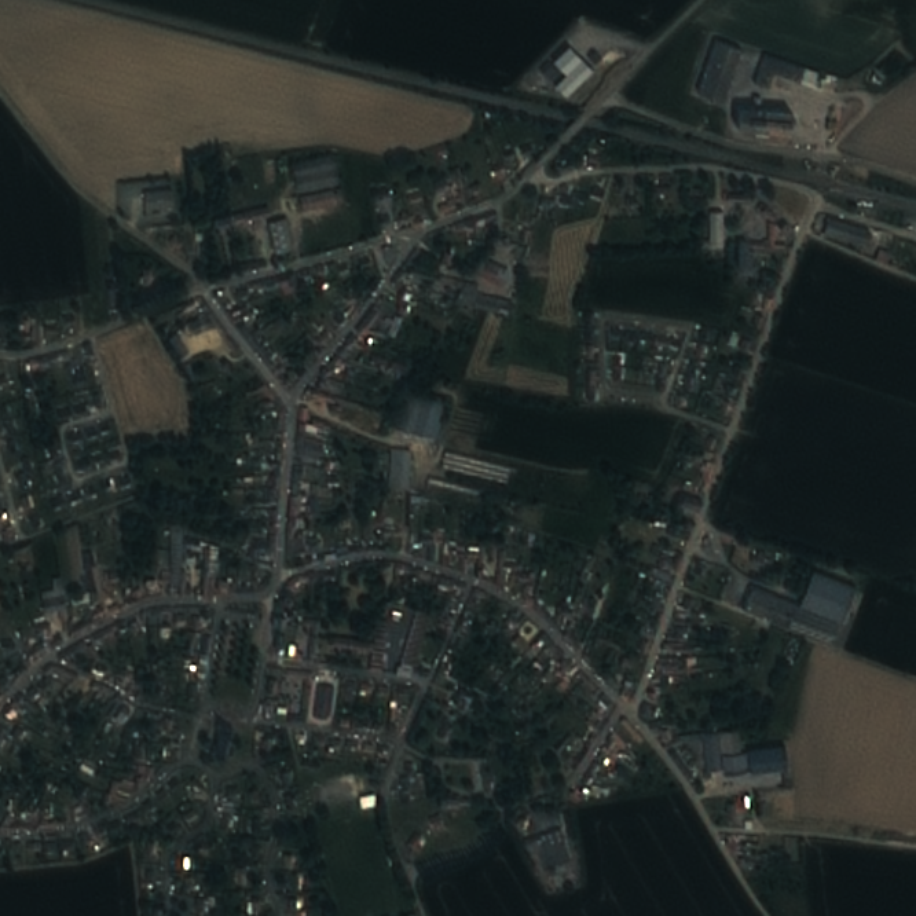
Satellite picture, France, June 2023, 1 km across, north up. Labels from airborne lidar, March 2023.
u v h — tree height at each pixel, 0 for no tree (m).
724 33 0
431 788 9
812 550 9
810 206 0
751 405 12
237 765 0
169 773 0
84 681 0
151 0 0
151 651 13
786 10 0
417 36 0
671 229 8
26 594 8
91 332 0
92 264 0
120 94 0
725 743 0
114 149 0
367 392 7
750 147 0
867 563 0
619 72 0
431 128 0
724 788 0
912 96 0
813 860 0
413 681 0
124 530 15
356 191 0
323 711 0
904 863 0
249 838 7
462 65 0
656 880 0
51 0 0
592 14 0
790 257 0
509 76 0
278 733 8
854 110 0
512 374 0
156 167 0
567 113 14
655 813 0
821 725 0
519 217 0
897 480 0
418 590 10
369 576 7
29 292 0
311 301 12
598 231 0
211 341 0
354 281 8
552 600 0
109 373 0
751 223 0
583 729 0
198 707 0
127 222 0
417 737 15
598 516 0
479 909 0
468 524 8
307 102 0
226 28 0
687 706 0
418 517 0
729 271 7
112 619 0
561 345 0
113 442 0
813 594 0
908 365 0
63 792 0
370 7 0
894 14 0
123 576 10
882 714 0
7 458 0
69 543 0
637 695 0
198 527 11
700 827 0
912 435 0
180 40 0
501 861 0
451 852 0
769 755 0
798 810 0
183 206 8
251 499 9
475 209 0
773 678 11
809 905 0
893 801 0
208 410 10
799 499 0
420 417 0
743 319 6
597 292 0
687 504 0
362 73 0
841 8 0
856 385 0
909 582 10
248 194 0
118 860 0
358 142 0
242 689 0
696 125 0
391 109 0
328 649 0
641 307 0
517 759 14
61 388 0
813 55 0
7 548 13
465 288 0
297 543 0
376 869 0
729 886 0
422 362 12
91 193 0
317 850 14
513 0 0
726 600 0
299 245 0
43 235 0
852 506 0
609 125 13
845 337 0
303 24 0
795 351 0
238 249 13
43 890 0
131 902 0
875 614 0
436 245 12
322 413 0
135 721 6
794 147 0
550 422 0
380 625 0
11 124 0
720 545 0
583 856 0
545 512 0
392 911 0
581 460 0
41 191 0
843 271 0
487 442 0
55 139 0
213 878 20
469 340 9
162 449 13
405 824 0
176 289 23
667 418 0
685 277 0
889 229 0
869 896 0
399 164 15
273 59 0
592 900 0
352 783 0
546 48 0
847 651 0
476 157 0
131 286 6
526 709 8
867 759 0
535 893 0
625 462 0
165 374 0
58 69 0
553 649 0
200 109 0
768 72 0
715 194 0
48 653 0
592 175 0
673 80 0
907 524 0
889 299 0
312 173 0
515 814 11
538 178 0
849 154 0
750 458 0
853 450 0
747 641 0
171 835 10
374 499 12
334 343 0
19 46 0
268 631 0
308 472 0
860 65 0
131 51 0
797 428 0
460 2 0
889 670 0
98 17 0
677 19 0
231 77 0
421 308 0
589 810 0
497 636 6
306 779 0
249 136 0
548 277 0
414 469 0
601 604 0
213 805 0
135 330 0
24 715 8
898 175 0
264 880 0
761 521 0
